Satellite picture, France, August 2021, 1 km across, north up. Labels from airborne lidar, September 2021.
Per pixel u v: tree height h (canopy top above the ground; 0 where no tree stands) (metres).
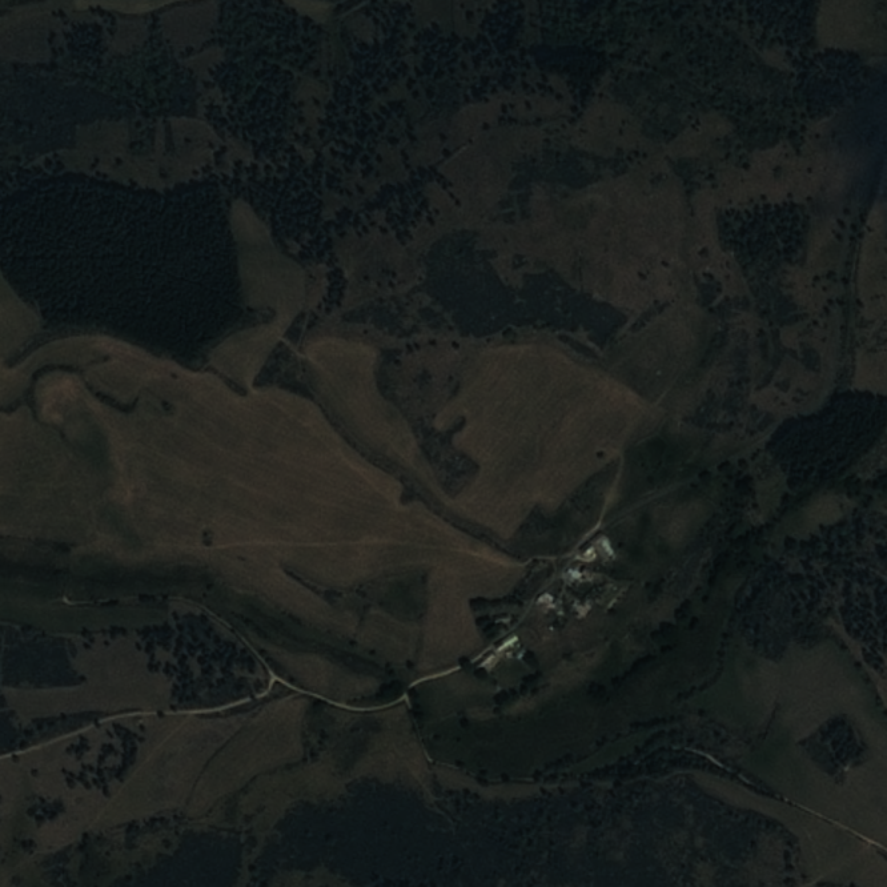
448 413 0
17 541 0
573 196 0
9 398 0
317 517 0
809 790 0
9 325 0
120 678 0
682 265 0
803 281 0
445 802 0
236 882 0
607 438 0
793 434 22
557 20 7
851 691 0
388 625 0
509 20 14
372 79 14
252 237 0
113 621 0
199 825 0
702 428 0
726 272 0
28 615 0
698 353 0
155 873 0
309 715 0
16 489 0
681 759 9
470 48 10
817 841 0
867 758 0
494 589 0
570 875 0
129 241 18
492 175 0
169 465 0
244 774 0
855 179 0
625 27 8
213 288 17
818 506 0
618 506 0
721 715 0
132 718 0
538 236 0
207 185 13
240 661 13
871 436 18
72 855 0
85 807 0
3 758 0
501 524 0
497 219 0
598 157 0
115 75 6
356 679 0
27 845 8
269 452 0
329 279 12
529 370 0
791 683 0
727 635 7
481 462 0
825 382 0
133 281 17
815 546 11
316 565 0
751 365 0
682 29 7
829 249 0
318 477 0
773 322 8
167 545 0
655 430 0
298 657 0
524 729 0
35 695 0
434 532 0
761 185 0
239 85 13
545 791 10
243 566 0
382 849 0
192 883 0
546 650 0
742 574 0
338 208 0
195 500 0
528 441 0
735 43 7
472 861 0
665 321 0
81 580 0
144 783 0
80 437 0
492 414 0
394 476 0
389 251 0
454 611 0
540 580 0
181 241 18
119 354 0
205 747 0
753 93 0
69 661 0
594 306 0
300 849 0
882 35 0
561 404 0
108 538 0
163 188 0
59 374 0
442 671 0
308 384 0
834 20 0
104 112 0
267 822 0
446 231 0
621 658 0
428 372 0
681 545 0
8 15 0
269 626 0
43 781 0
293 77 10
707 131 0
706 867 0
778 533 0
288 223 17
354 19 0
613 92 0
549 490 0
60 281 20
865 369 0
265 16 9
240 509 0
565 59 22
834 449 15
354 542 0
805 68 16
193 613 0
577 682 0
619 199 0
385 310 0
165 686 0
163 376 0
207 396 0
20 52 0
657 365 0
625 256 0
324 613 0
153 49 7
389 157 0
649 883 0
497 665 0
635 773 7
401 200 11
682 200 0
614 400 0
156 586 0
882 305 0
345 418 0
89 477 0
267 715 0
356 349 0
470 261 0
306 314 0
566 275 0
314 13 0
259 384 0
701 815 0
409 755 0
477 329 0
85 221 18
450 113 0
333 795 0
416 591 0
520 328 0
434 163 0
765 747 0
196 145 0
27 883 0
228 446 0
